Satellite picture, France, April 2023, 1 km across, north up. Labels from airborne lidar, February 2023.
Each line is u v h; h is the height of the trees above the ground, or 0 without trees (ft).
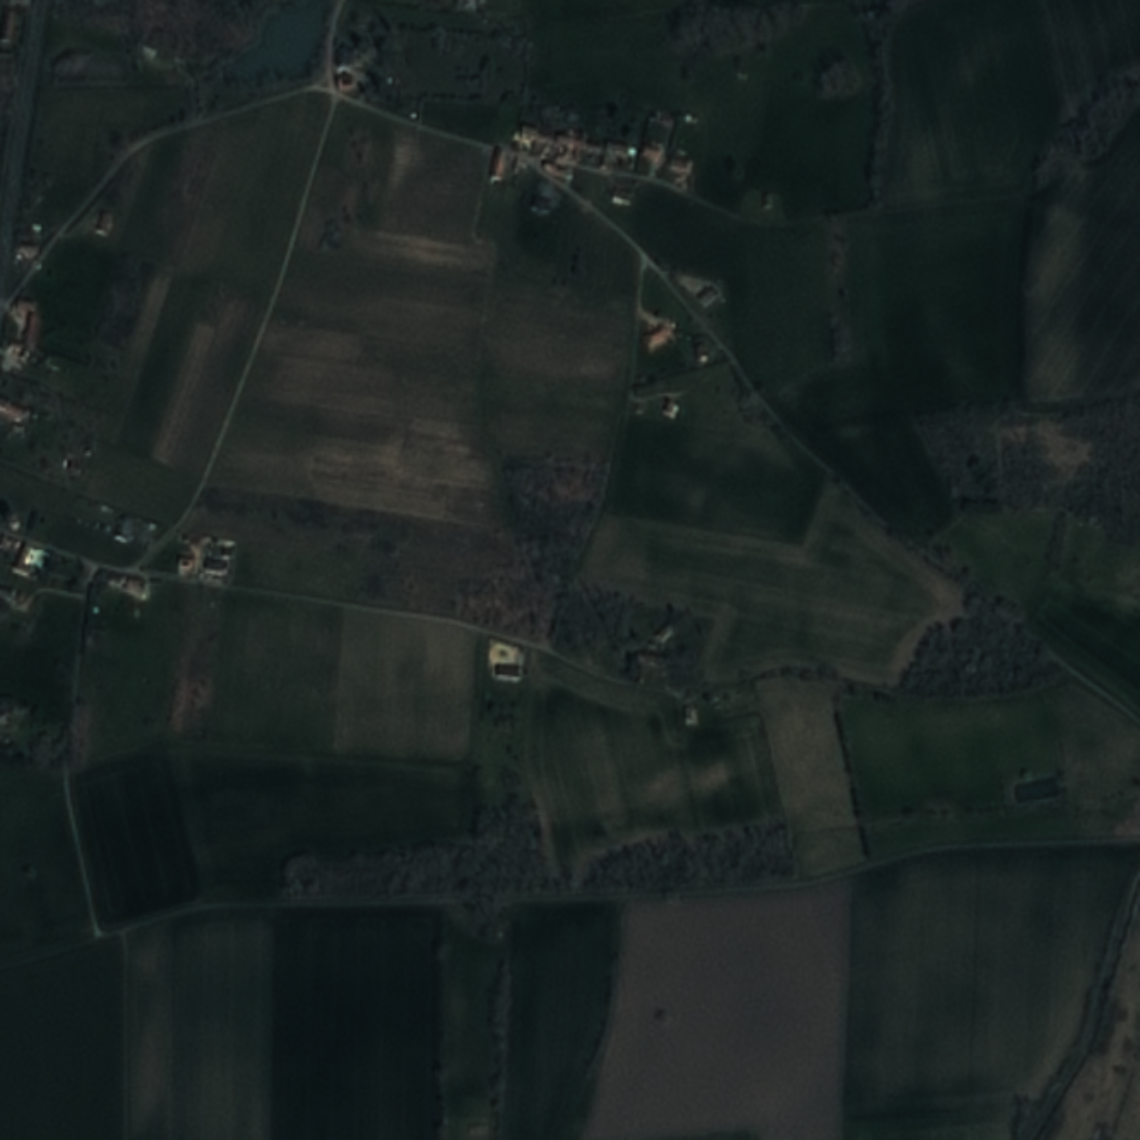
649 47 0
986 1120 0
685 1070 0
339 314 0
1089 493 20
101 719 0
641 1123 0
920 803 0
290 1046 0
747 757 0
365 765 0
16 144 0
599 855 0
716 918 0
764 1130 0
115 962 0
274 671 0
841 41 0
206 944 0
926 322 0
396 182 0
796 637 0
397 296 0
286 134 0
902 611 0
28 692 0
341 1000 0
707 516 0
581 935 0
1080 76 0
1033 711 0
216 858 0
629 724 0
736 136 0
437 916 0
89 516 0
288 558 0
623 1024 0
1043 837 0
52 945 0
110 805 0
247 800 0
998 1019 0
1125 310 0
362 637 0
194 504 0
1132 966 0
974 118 0
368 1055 0
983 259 0
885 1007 0
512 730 45
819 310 0
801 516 0
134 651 0
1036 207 0
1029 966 0
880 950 0
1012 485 46
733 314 0
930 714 0
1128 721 0
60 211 0
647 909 0
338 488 0
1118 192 0
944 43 0
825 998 0
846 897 0
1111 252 0
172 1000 0
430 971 0
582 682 0
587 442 0
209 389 0
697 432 0
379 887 29
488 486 0
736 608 0
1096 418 39
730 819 0
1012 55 0
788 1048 0
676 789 0
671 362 0
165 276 0
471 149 0
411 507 0
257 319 0
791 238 0
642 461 0
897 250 0
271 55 0
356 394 0
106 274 0
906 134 0
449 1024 0
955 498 20
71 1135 0
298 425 0
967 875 0
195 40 29
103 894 0
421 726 0
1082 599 0
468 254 0
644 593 0
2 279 0
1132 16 0
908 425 0
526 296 0
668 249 0
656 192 0
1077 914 0
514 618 35
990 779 0
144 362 0
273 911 0
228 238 0
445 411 0
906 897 0
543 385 0
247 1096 0
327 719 0
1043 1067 0
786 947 0
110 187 0
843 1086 0
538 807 38
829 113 0
